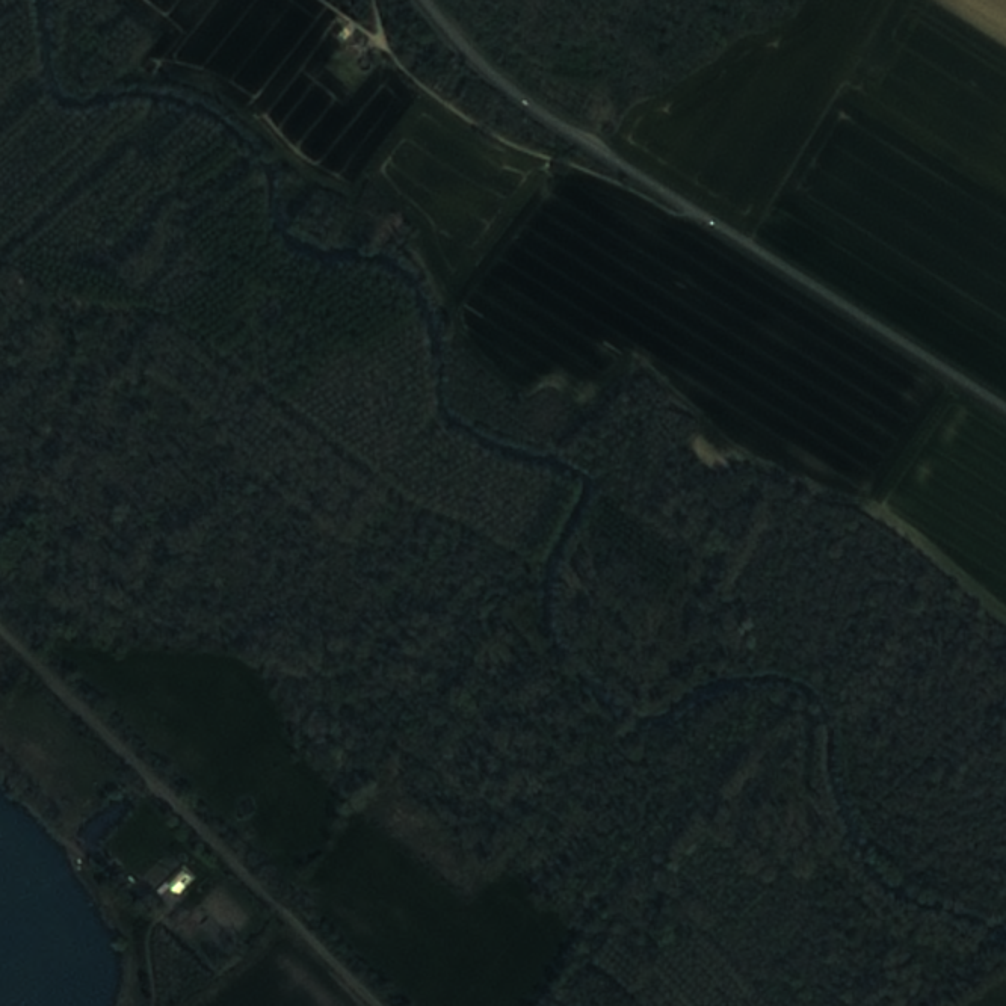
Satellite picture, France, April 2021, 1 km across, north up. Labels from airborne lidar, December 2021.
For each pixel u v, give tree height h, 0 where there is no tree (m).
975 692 17
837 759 20
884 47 0
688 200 0
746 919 18
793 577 8
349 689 23
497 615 18
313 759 20
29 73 31
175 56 0
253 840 0
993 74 0
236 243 28
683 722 12
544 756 26
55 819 33
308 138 0
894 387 0
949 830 6
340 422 24
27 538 28
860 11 0
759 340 0
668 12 24
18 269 38
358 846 0
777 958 13
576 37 20
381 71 0
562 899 29
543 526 19
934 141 0
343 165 0
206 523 31
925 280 0
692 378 0
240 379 33
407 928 0
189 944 0
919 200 0
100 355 8
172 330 35
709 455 0
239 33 0
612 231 0
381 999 7
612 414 17
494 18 10
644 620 38
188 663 0
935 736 19
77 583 34
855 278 0
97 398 25
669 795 19
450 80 14
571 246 0
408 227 18
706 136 0
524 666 26
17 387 26
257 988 0
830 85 0
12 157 24
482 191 0
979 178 0
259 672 8
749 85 0
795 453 0
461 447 24
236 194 29
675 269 0
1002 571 0
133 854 0
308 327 25
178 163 29
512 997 0
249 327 24
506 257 0
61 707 14
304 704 26
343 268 26
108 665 0
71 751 0
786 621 12
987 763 10
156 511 24
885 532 16
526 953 0
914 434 0
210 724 0
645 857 20
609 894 16
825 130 0
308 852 0
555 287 0
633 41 21
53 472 28
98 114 26
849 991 25
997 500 0
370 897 0
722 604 23
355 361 17
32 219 24
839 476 0
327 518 33
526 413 7
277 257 28
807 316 0
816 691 14
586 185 0
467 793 27
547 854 34
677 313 0
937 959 11
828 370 0
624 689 35
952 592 18
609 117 0
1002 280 0
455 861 0
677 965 34
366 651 22
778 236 0
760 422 0
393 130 0
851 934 8
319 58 0
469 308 0
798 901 12
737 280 0
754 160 0
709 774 21
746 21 16
